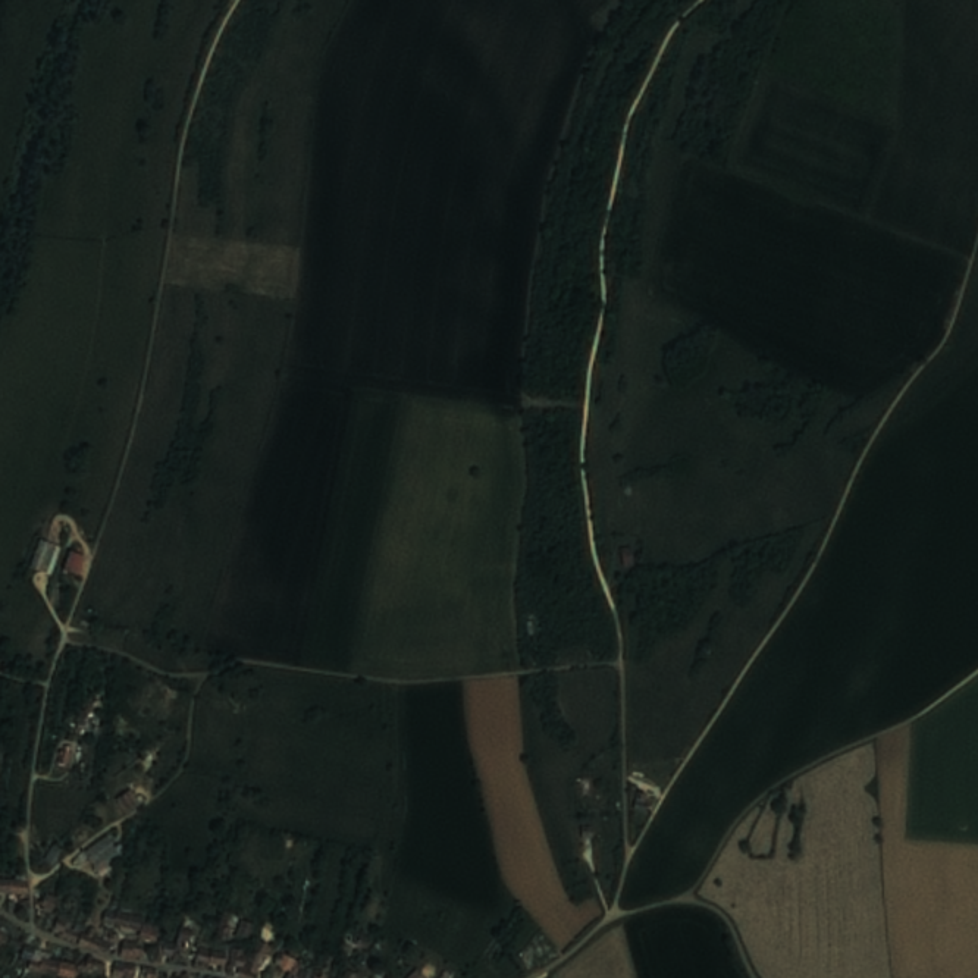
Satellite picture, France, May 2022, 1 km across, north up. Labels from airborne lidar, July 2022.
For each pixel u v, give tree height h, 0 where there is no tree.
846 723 0
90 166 0
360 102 0
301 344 0
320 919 0
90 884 7
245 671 7
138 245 0
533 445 7
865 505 0
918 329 0
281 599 0
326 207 0
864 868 0
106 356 0
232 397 0
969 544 0
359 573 0
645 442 0
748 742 0
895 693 0
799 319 0
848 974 0
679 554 0
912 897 0
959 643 0
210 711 0
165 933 13
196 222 0
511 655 0
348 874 8
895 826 0
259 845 0
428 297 0
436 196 0
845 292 0
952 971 0
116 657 9
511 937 6
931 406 0
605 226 10
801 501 0
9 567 0
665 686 0
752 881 0
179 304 0
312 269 0
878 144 0
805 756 0
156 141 0
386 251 0
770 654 0
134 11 0
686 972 0
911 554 0
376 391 0
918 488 0
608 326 10
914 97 0
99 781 7
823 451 0
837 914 0
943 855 0
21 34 0
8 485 0
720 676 0
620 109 12
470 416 0
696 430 0
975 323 0
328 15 0
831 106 0
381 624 0
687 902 0
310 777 0
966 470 0
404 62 0
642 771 0
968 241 0
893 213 0
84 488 0
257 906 11
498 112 0
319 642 0
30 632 0
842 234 0
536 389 14
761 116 0
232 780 8
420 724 0
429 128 0
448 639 0
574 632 6
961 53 0
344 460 0
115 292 0
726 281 0
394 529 0
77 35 7
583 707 0
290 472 0
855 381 0
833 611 0
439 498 0
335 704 0
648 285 0
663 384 10
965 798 0
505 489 0
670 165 0
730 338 0
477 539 0
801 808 6
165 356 0
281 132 0
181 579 0
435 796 0
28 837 0
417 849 0
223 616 0
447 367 0
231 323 0
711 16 6
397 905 0
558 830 0
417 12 0
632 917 0
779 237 0
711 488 0
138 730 0
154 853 12
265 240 0
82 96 0
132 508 0
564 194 7
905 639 0
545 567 12
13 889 0
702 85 11
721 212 0
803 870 0
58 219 0
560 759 0
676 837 0
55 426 0
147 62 0
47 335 0
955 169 0
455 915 0
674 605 13
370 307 0
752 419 13
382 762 0
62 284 0
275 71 0
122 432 0
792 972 0
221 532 0
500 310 0
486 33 0
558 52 0
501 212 0
